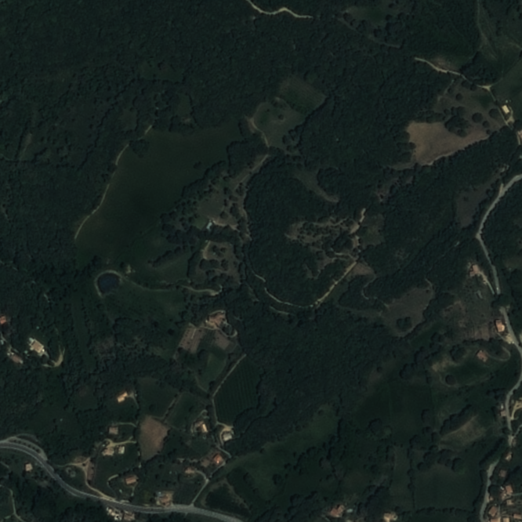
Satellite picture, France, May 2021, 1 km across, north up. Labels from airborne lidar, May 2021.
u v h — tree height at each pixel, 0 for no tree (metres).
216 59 12
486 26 0
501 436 0
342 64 12
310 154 17
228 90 8
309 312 19
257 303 15
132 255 0
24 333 13
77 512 15
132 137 16
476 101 0
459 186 7
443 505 0
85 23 10
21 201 12
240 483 0
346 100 13
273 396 11
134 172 0
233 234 14
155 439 0
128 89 12
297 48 7
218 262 12
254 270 7
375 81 10
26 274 11
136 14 13
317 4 10
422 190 12
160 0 11
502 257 10
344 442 21
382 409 0
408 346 14
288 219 7
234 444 8
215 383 15
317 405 11
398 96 8
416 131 0
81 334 0
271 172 10
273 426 12
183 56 11
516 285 8
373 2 16
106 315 8
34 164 14
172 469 0
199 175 0
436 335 10
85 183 12
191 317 9
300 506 14
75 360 10
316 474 0
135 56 10
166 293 0
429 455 14
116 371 13
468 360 0
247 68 10
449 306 9
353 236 7
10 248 13
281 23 10
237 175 11
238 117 14
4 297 15
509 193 7
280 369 12
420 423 0
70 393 11
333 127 8
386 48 13
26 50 13
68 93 8
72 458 11
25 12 9
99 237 0
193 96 16
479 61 13
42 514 14
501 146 9
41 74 12
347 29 12
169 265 0
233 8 14
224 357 0
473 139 0
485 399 0
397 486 0
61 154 10
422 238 6
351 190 11
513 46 0
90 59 11
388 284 6
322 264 0
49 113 7
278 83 17
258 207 10
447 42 6
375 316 0
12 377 10
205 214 0
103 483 0
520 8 10
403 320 9
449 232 8
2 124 16
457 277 11
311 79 14
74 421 0
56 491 20
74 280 16
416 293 0
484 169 9
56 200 14
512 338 0
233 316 12
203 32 11
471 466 0
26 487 18
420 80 11
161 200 0
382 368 11
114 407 0
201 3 12
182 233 12
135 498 7
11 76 9
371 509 15
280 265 7
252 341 12
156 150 0
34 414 5
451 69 0
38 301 11
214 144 0
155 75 8
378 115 10
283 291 7
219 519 0
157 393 0
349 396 10
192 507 0
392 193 11
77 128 0
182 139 0
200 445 0
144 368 14
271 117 0
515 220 7
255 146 17
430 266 7
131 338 10
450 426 9
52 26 9
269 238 7
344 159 16
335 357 11
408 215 11
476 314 0
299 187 11
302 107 5
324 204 11
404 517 12
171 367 14
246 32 7
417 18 10
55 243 13
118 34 14
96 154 12
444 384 0
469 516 8
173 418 0
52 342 10
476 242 13
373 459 8
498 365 0
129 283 0
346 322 11
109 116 12
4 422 6
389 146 9
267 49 11
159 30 6
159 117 16
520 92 0
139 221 0
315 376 8
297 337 14
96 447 9
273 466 0
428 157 0
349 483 0
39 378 9
